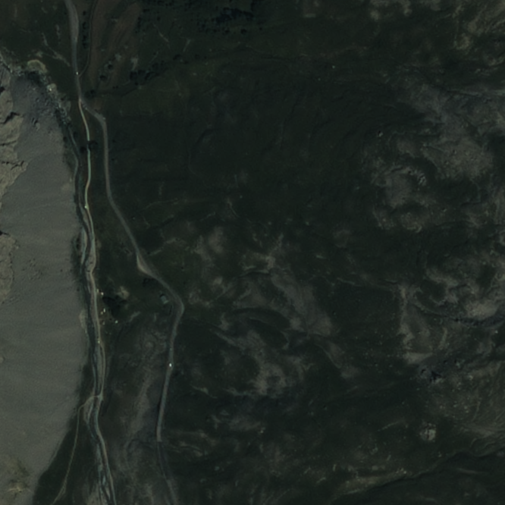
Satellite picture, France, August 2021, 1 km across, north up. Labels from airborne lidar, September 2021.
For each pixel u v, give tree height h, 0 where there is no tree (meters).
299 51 0
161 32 0
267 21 0
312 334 0
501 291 0
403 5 0
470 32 0
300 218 0
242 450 0
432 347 0
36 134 0
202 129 0
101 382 0
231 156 0
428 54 0
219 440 0
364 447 0
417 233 0
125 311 0
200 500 0
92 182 0
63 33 0
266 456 0
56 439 0
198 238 0
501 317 0
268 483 0
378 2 0
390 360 0
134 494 0
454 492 0
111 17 0
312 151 0
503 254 0
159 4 7
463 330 0
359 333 0
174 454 0
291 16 0
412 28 0
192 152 0
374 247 0
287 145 0
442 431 0
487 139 0
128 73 0
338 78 0
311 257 0
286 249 0
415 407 0
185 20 0
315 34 0
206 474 0
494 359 0
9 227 0
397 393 0
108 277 0
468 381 0
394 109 0
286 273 0
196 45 0
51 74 0
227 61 0
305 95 0
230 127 0
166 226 0
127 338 0
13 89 0
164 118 0
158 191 0
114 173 0
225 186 0
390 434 0
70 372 0
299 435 0
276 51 0
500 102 0
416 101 0
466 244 0
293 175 0
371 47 0
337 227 0
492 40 0
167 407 0
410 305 0
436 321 0
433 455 0
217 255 0
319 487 0
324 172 0
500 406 0
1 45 0
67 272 0
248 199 0
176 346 0
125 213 0
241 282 0
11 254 0
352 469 0
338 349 0
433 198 0
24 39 0
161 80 0
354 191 0
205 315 0
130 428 0
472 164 0
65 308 0
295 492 0
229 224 0
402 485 0
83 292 0
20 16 0
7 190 0
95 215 0
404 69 0
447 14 0
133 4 0
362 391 0
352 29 0
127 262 0
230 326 0
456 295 0
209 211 0
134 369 0
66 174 0
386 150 0
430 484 0
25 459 0
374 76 0
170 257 0
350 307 0
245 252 0
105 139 0
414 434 0
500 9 0
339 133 0
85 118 0
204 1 10
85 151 12
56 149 0
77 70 0
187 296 0
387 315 0
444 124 0
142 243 0
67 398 0
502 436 0
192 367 0
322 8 0
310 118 0
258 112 0
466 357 0
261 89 0
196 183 0
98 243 0
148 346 0
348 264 0
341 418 0
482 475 0
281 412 0
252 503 0
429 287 0
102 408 0
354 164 0
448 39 0
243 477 0
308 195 0
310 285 0
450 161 0
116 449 0
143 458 0
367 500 0
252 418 0
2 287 0
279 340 0
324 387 0
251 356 0
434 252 0
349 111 0
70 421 0
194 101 0
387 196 0
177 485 0
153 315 0
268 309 0
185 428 0
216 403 0
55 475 0
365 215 0
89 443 0
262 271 0
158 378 0
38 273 0
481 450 0
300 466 0
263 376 0
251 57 0
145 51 0
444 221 0
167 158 0
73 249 0
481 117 0
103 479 0
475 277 0
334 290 0
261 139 0
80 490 0
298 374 0
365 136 0
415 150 0
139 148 0
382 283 0
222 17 0
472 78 0
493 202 0
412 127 0
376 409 0
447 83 0
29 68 0
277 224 0
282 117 0
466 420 0
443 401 0
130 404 0
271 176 0
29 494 0
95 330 0
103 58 0
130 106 0
